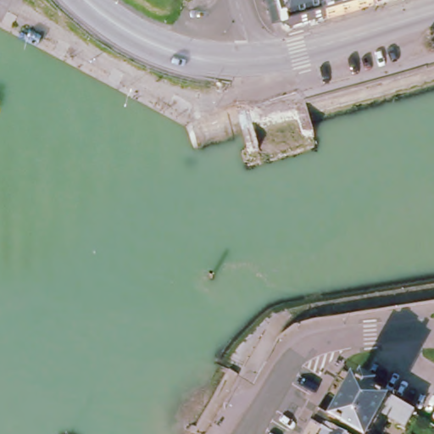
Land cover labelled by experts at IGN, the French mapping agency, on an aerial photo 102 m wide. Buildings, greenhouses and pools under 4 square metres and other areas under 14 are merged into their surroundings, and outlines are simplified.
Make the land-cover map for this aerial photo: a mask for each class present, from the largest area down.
<instances>
[{"label":"water","instance_id":"1","mask_svg":"<svg viewBox=\"0 0 434 434\"><path fill-rule=\"evenodd\" d=\"M317 137H320V149L317 153L310 149L307 153L288 156L280 161L251 166L242 159V151L246 147L244 137L232 136L222 141H209L202 146L193 147L185 127L175 120L159 114L158 110L147 107L144 103L137 102L80 68L64 63L63 59L27 44L12 32L0 27V434H185L186 431L183 407L186 400L192 397L193 393L209 385L217 368L215 363L225 346L236 336L242 325L266 303L303 293L329 292L337 288L358 287L366 283L434 273V93L407 102H395L385 107L373 108L370 112H361L346 119L322 122L317 134Z\"/></svg>","mask_w":434,"mask_h":434},{"label":"impervious surface","instance_id":"2","mask_svg":"<svg viewBox=\"0 0 434 434\"><path fill-rule=\"evenodd\" d=\"M88 36L108 47V53H103L98 47L73 34L68 27L54 24L41 10L32 8L31 5L24 3V0H0V27L12 32L27 44L63 59L64 63L80 68L137 102L144 103L147 107L158 110L159 114L175 120L185 127L193 147L202 146L209 141H222L232 136L244 137L246 147L242 151V159L251 166L280 161L288 156L307 153L310 149L317 153L320 149V137H317V134L322 122L346 119L361 112H370L373 108L385 107L395 102H407L434 93V0H397L383 5L359 8L356 12L339 17L325 15L322 24L297 27L278 24L280 14L273 0H185L180 19L176 20L175 24H166L149 19L147 15L141 14L139 10L122 0H51ZM153 71H161L166 76L192 83H203V80L215 81V85L207 90L181 88L171 85L170 81L158 80L153 76ZM361 353H368V359L361 366L363 375H375L376 383L380 387L387 388L390 395L410 403L414 414L427 420L434 427V281L410 287L358 293L348 297L327 298L320 302L302 303L275 312L266 317L254 332L248 334L237 346L231 356V368H225L224 376L215 390L214 397L198 420L197 426L188 427L186 431L185 434H285L295 429V412L305 400L302 393L292 390L290 385L297 381L309 390H317L320 385L319 376L324 370H332V363L336 359L337 363L344 366L346 359Z\"/></svg>","mask_w":434,"mask_h":434},{"label":"building","instance_id":"3","mask_svg":"<svg viewBox=\"0 0 434 434\"><path fill-rule=\"evenodd\" d=\"M280 14L278 24L297 27L322 24L325 15L339 17L356 12L359 8L383 5L397 0H273ZM320 385L317 390H309L297 381L290 385L292 390L302 393L305 400L295 412V429L285 434H403L410 415L414 414L410 403L390 395L387 388L380 387L376 383L375 375H363L361 366L344 371V366L337 363L336 359L332 363V370H324L319 376Z\"/></svg>","mask_w":434,"mask_h":434},{"label":"herbaceous vegetation","instance_id":"4","mask_svg":"<svg viewBox=\"0 0 434 434\"><path fill-rule=\"evenodd\" d=\"M24 3L31 5L32 8L41 10L54 24L68 27L73 34L98 47L103 53H108V47L88 36L51 0H24ZM139 10L141 14L147 15L149 19L166 24H175L176 20L180 19L185 0H122ZM153 76L158 80L170 81L171 85L181 88L207 90L215 85V81L203 80V83H192L166 76L161 71H153ZM434 281V273L366 283L358 287L337 288L329 292L303 293L266 303L242 325L236 336L225 346L215 363L217 368L209 385L215 390L224 376L225 368H231V356L237 346L248 334L254 332L266 317L275 312L302 303L320 302L327 298L348 297L358 293L410 287ZM368 359V353H361L346 359L344 366V371L361 366ZM403 434H434V427L427 420L414 414L410 415Z\"/></svg>","mask_w":434,"mask_h":434},{"label":"bare soil","instance_id":"5","mask_svg":"<svg viewBox=\"0 0 434 434\"><path fill-rule=\"evenodd\" d=\"M215 390L209 385L193 393L192 397L186 400L183 407L186 431L188 427L197 426L198 420L214 397Z\"/></svg>","mask_w":434,"mask_h":434}]
</instances>
